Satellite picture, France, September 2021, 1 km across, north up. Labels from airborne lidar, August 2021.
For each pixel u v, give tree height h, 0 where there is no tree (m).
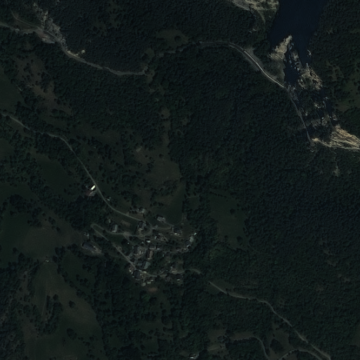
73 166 18
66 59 8
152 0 17
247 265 7
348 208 19
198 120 16
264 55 13
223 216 0
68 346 0
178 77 14
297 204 13
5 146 0
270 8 6
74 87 15
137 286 13
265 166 8
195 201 0
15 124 0
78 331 0
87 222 19
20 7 7
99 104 13
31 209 18
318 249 8
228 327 9
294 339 15
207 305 17
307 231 21
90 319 0
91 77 8
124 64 16
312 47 11
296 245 17
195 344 14
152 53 0
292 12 9
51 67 16
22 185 0
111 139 0
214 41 9
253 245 14
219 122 19
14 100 0
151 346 0
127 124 16
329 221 23
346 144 21
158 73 10
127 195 16
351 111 10
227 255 15
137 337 20
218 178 22
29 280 8
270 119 17
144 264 0
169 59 13
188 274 16
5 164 13
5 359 7
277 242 9
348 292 14
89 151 0
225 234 0
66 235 0
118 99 12
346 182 7
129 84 15
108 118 12
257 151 16
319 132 9
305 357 13
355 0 10
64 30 7
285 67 0
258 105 21
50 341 0
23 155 15
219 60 15
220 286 0
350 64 8
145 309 17
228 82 20
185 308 20
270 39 13
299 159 17
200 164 10
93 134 0
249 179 11
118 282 28
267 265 8
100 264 18
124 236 0
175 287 13
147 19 18
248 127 7
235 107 13
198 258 27
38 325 9
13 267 17
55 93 15
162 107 15
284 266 15
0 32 19
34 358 0
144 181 10
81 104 17
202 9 17
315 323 13
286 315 19
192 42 6
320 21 11
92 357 11
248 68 17
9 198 7
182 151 21
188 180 20
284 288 8
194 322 28
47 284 0
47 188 10
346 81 11
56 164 0
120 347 0
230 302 6
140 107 13
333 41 19
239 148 11
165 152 0
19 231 0
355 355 10
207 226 19
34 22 10
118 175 11
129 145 12
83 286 9
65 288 0
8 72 12
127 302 22
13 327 7
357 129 8
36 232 0
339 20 17
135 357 18
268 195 17
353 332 18
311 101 10
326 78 15
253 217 11
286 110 9
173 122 14
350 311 9
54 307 14
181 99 7
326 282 9
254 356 19
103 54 12
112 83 9
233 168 19
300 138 10
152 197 10
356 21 12
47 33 0
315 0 9
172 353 15
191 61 22
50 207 14
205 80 19
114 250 11
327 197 17
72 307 14
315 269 11
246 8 8
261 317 10
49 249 0
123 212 0
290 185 10
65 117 10
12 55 13
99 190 0
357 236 20
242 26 16
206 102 19
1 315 8
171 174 0
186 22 20
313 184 19
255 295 12
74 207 16
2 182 15
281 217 15
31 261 14
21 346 8
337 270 11
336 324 18
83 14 9
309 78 10
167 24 17
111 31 12
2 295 9
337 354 14
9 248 0
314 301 7
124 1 17
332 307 10
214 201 0
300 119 13
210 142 16
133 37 16
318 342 6
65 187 0
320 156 9
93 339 12
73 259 0
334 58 15
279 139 18
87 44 11
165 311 14
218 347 0
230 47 7
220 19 10
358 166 10
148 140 13
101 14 15
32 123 10
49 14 10
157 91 7
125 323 21
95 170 0
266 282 10
